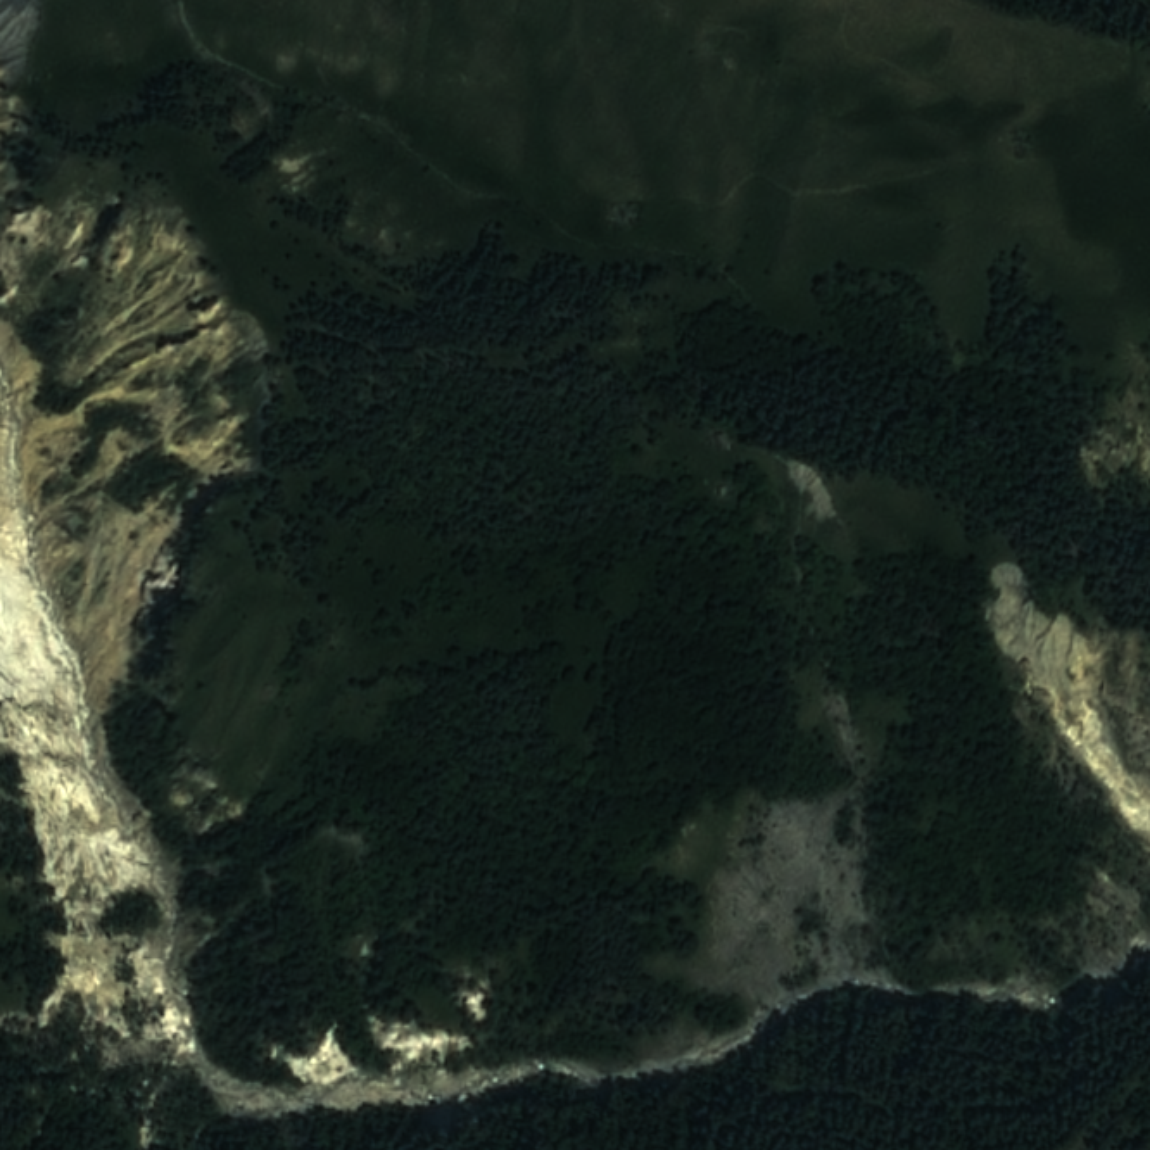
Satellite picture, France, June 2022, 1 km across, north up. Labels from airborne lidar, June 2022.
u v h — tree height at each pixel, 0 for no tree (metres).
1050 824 14
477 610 7
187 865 10
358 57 0
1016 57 0
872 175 0
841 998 7
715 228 0
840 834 10
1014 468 20
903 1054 11
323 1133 11
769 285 0
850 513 0
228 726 0
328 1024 10
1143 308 0
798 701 11
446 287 16
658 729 17
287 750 0
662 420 14
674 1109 15
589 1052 10
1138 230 0
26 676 0
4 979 10
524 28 0
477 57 0
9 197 8
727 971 0
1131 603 31
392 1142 18
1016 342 13
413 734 17
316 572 13
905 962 24
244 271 0
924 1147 18
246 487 6
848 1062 25
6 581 0
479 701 13
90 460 8
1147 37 17
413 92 0
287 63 0
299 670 10
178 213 0
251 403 0
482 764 18
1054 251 0
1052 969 22
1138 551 13
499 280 14
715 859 0
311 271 0
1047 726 9
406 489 9
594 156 0
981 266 0
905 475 9
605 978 31
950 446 22
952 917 11
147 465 8
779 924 0
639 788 23
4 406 0
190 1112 16
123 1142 8
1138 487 13
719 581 10
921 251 0
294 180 0
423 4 0
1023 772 13
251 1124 7
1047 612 10
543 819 21
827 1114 29
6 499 0
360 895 10
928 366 20
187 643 0
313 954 15
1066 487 20
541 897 23
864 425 23
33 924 10
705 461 0
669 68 0
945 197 0
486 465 12
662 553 9
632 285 14
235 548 0
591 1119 7
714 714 22
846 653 8
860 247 0
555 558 17
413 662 0
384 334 21
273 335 0
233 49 0
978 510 16
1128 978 6
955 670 16
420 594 8
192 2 0
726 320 17
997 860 13
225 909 13
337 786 17
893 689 10
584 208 0
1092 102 0
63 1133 31
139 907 9
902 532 0
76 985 0
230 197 0
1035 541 20
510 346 16
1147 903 7
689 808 20
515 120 0
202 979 14
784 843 0
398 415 19
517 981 10
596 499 23
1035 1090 17
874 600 9
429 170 7
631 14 0
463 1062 7
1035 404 14
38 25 0
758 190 0
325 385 22
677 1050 0
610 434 21
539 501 15
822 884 0
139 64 0
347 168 0
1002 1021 13
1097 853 8
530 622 10
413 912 17
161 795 12
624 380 16
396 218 0
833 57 0
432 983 16
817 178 0
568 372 18
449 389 13
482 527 18
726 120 0
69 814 0
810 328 0
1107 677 0
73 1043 9
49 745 0
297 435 17
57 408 11
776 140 0
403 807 20
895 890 11
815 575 7
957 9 0
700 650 15
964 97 0
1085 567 16
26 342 6
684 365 15
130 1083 11
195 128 7
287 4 0
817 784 10
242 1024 15
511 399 22
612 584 7
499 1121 25
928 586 17
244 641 0
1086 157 0
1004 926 16
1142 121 0
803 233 0
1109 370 0
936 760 22
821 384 21
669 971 0
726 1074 8
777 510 12
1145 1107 21
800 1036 18
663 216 0
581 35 0
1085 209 0
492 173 0
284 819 8
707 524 16
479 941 12
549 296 18
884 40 0
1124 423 6
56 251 0
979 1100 33
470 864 17
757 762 20
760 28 0
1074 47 0
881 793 15
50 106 0
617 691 15
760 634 19
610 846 17
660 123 0
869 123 0
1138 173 0
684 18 0
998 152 0
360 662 0
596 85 0
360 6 0
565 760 19
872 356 14
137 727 20
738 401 30
